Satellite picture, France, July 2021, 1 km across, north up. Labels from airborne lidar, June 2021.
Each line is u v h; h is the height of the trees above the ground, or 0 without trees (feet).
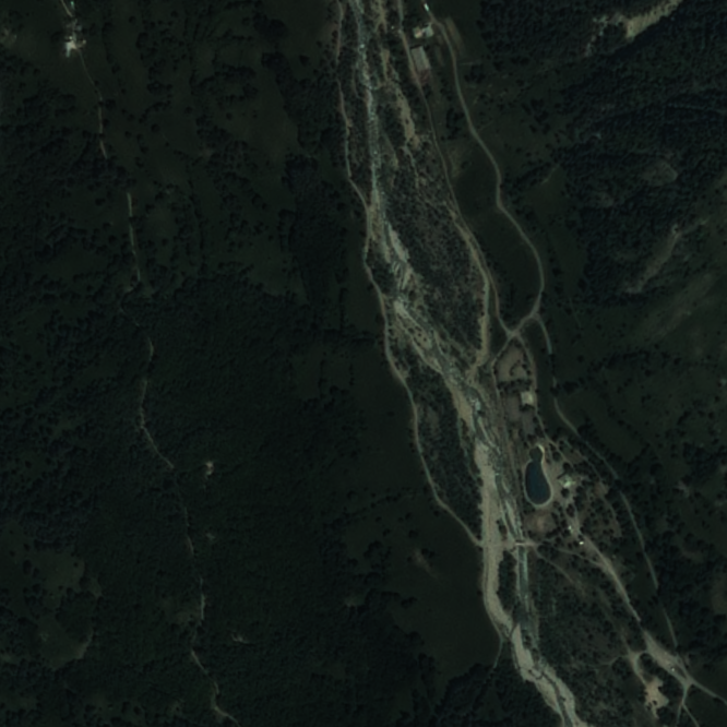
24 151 84
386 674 75
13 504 82
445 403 29
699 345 0
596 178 36
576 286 0
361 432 23
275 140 0
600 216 50
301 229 65
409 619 0
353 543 0
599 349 0
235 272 58
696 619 78
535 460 0
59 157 63
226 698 52
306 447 44
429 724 36
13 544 0
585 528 24
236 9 46
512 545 0
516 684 29
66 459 48
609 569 0
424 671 43
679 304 0
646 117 53
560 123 0
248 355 86
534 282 0
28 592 38
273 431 50
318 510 25
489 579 0
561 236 0
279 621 50
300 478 33
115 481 82
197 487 57
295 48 0
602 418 0
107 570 58
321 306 50
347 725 81
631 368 22
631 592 41
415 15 21
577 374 0
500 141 0
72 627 60
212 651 42
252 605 57
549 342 0
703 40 47
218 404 61
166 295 45
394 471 0
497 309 0
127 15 0
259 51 0
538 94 0
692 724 26
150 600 63
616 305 42
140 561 71
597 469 39
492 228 0
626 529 39
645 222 31
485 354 0
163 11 0
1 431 50
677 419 0
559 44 35
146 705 51
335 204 73
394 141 26
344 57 33
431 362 0
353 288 0
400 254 0
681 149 38
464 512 24
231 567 52
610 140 25
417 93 35
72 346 78
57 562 0
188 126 0
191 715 61
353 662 45
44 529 93
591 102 21
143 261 0
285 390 74
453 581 0
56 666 0
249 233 44
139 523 84
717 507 0
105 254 46
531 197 0
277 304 65
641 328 0
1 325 61
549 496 0
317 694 85
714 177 36
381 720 81
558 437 31
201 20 38
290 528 68
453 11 0
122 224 0
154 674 61
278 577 65
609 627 35
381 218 0
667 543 22
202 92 47
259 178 21
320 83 31
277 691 79
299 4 0
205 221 59
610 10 50
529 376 29
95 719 56
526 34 50
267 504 58
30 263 59
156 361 62
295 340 50
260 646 68
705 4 63
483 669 50
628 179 37
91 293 38
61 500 55
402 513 0
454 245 21
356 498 35
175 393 51
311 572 76
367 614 67
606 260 55
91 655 35
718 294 0
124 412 74
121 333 61
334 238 75
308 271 55
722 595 0
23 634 57
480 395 0
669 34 68
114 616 66
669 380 0
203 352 54
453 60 0
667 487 31
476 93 0
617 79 35
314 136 58
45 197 68
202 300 50
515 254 0
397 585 0
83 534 94
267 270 0
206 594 63
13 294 65
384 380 0
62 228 37
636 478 64
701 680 0
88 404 71
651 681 0
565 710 0
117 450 67
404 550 0
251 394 73
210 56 0
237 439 57
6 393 25
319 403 43
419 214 20
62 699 79
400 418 0
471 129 0
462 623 0
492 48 56
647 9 28
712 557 49
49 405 36
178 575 80
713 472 48
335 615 71
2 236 60
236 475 57
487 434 0
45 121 48
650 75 31
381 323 33
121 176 100
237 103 38
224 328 62
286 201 0
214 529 42
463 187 0
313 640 71
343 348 31
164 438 65
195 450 55
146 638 75
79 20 31
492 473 0
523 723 52
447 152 0
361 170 31
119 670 75
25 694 62
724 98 23
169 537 94
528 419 0
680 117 36
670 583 33
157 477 37
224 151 31
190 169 30
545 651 22
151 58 48
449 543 0
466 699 68
